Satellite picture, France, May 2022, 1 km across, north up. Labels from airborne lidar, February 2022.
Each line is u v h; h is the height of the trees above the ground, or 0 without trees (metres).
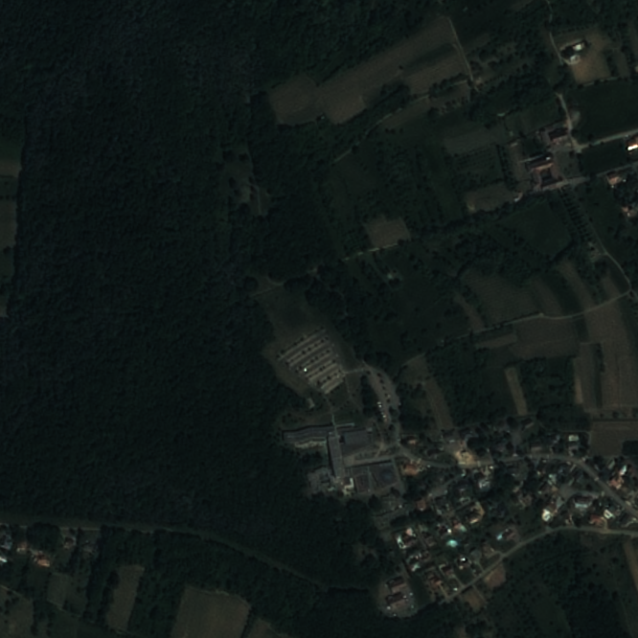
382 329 0
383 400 0
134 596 0
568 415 0
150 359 14
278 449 18
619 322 0
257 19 21
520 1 0
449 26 0
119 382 17
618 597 11
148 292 16
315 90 0
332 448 0
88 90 22
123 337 17
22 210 16
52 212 20
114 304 12
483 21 0
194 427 15
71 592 0
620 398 0
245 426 17
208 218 16
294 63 17
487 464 0
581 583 12
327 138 0
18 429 18
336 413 0
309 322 0
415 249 0
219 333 21
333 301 19
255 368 17
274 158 18
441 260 7
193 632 0
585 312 0
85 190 18
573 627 14
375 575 13
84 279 20
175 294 16
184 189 15
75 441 18
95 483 17
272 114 15
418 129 0
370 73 0
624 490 0
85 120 18
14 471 20
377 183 0
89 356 12
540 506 12
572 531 0
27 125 19
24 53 18
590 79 0
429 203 6
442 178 0
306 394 0
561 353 0
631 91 0
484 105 15
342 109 0
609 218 0
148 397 14
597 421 0
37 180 18
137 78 12
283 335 0
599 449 0
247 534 18
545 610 0
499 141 0
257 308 18
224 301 18
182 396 16
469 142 0
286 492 15
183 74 18
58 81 20
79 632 0
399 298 0
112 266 18
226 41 18
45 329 20
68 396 18
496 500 13
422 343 0
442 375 7
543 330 0
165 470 17
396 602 0
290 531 19
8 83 14
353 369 0
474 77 0
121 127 14
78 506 17
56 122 21
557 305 0
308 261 18
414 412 7
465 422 6
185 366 17
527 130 0
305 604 15
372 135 7
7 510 15
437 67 0
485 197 0
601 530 0
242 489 16
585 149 0
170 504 16
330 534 16
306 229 20
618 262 0
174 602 11
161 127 17
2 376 19
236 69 18
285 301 0
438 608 16
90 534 0
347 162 0
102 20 19
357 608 18
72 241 18
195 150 19
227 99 15
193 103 14
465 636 0
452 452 0
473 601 0
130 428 15
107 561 18
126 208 18
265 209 0
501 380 0
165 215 21
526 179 0
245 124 11
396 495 9
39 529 18
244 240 14
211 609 0
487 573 0
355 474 0
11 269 0
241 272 18
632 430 0
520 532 0
